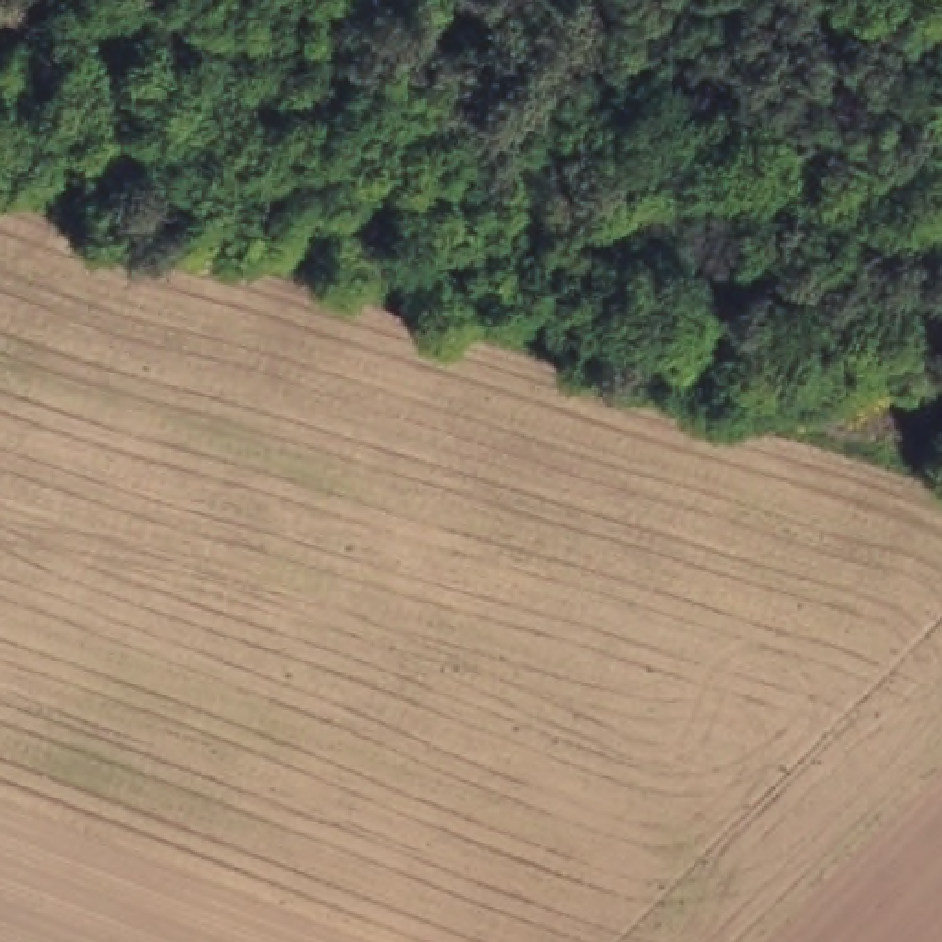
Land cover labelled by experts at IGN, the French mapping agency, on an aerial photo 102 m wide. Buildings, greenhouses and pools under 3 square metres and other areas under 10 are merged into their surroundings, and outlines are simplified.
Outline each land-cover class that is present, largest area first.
<instances>
[{"label":"agricultural land","instance_id":"1","mask_svg":"<svg viewBox=\"0 0 942 942\"><path fill-rule=\"evenodd\" d=\"M0 942H942V467H927L920 478H913L905 471L876 467L806 442L765 434L743 438L736 445L707 442L681 431L673 416H662L659 408H611L592 394H567L556 379V368L530 353L475 342L460 361L445 364L419 353L408 331L394 313L383 309L364 305L353 316H339L320 302L309 294V287L294 283V272L221 283L206 272L173 269L162 276H144L125 269L85 265L74 254L70 239L44 213H0Z\"/></svg>","mask_w":942,"mask_h":942},{"label":"deciduous trees","instance_id":"2","mask_svg":"<svg viewBox=\"0 0 942 942\"><path fill-rule=\"evenodd\" d=\"M88 7V18H52L55 59L66 77L37 125L18 121V92L26 88V66L11 59L0 70V213H44L48 202L66 188V173L99 177L114 158H136L144 162L147 180L158 191H166L173 206L195 217V232L169 254L173 269L206 272L221 283L294 272V265L316 236L339 239L335 283L320 302L339 316H353L364 305L383 309L390 291L434 287L442 294V309L423 313V320L408 331L419 353L445 364L460 361L475 342L530 353L556 368V379L567 394H592L611 408H659L662 416H673L681 431L707 442L736 445L743 438L765 434L806 442L828 423L857 419L879 408H916L931 397H942V0H574V18L567 22V33L574 48L559 52L541 77L526 85V103L508 107V118L497 132H475L464 114H456V103L471 96L475 74H438L427 66L445 26L453 22V0H419L423 40H412L401 26H394L390 40L375 48V63L368 74L350 70L346 81L357 96L350 99V110L342 118L327 125L294 129L283 144H272L265 140L258 103H269L276 110H305L327 96L331 18L346 15L350 0H81ZM379 202L397 206L401 236L394 258L375 261L364 254L357 228L379 210Z\"/></svg>","mask_w":942,"mask_h":942},{"label":"coniferous trees","instance_id":"3","mask_svg":"<svg viewBox=\"0 0 942 942\"><path fill-rule=\"evenodd\" d=\"M88 18V7L81 0H0V70L11 59L26 66V88L18 92V121L37 125L66 77L55 59L52 18ZM394 26H401L412 40H423L419 0H350L346 15L331 18L327 96L305 110H276L269 103H258L265 140L272 144H283L294 129L327 125L342 118L350 110V99L357 96L346 81L350 70L368 74L375 63V48L390 40ZM574 18V0H453V22L445 26L427 66L438 74H475L471 96L456 103V114H464L475 132H497L508 118V107L526 103V85L541 77L559 52L574 48L567 33V22ZM70 239L74 254L85 265L125 269L144 276H162L173 269L169 254L195 232V217L173 206L166 191H158L147 180L144 162L136 158H114L99 177L66 173V188L48 202L44 213ZM364 254L375 261L394 258L401 236L397 206L379 202V210L357 228ZM339 239L316 236L294 265V283L309 287V294L320 302L335 283ZM383 309L394 313L408 331L423 320V313L442 309V294L434 287L390 291Z\"/></svg>","mask_w":942,"mask_h":942},{"label":"herbaceous vegetation","instance_id":"4","mask_svg":"<svg viewBox=\"0 0 942 942\"><path fill-rule=\"evenodd\" d=\"M876 467L905 471L913 478H920L927 467H942V397H931L916 408H879L857 419L828 423L806 442Z\"/></svg>","mask_w":942,"mask_h":942}]
</instances>
